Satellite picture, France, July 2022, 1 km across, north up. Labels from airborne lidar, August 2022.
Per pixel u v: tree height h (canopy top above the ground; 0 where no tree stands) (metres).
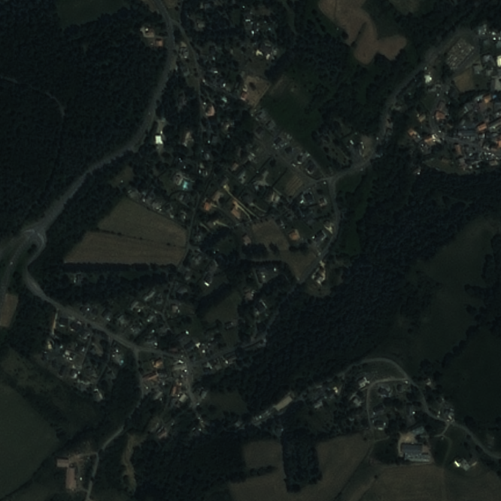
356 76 13
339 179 0
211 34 18
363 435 0
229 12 12
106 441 0
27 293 10
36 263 14
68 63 15
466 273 0
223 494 0
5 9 21
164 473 6
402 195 25
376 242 20
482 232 0
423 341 0
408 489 0
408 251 14
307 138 0
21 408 0
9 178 21
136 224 0
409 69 7
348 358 11
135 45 17
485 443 0
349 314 23
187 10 13
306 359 25
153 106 0
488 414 0
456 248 0
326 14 0
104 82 12
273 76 21
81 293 11
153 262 0
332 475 0
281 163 0
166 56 16
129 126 16
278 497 0
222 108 11
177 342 13
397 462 11
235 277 18
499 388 0
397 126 11
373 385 0
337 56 9
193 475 7
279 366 29
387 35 0
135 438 0
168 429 0
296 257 0
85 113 8
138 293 13
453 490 0
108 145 14
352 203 6
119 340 0
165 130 16
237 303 0
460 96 7
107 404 15
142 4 14
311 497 0
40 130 21
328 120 17
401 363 0
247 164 11
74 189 0
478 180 14
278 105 0
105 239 0
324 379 15
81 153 20
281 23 14
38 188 12
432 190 13
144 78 19
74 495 0
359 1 0
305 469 21
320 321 20
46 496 0
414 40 8
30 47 23
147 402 12
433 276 0
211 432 20
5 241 0
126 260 0
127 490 10
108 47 9
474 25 10
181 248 0
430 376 17
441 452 0
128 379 8
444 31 13
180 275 12
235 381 17
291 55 20
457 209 17
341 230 9
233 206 11
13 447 0
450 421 0
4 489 0
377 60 15
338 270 16
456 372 0
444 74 10
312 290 0
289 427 16
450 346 0
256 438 21
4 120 14
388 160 19
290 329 25
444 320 0
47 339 7
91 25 14
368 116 6
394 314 12
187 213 9
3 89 26
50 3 16
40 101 16
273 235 0
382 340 12
